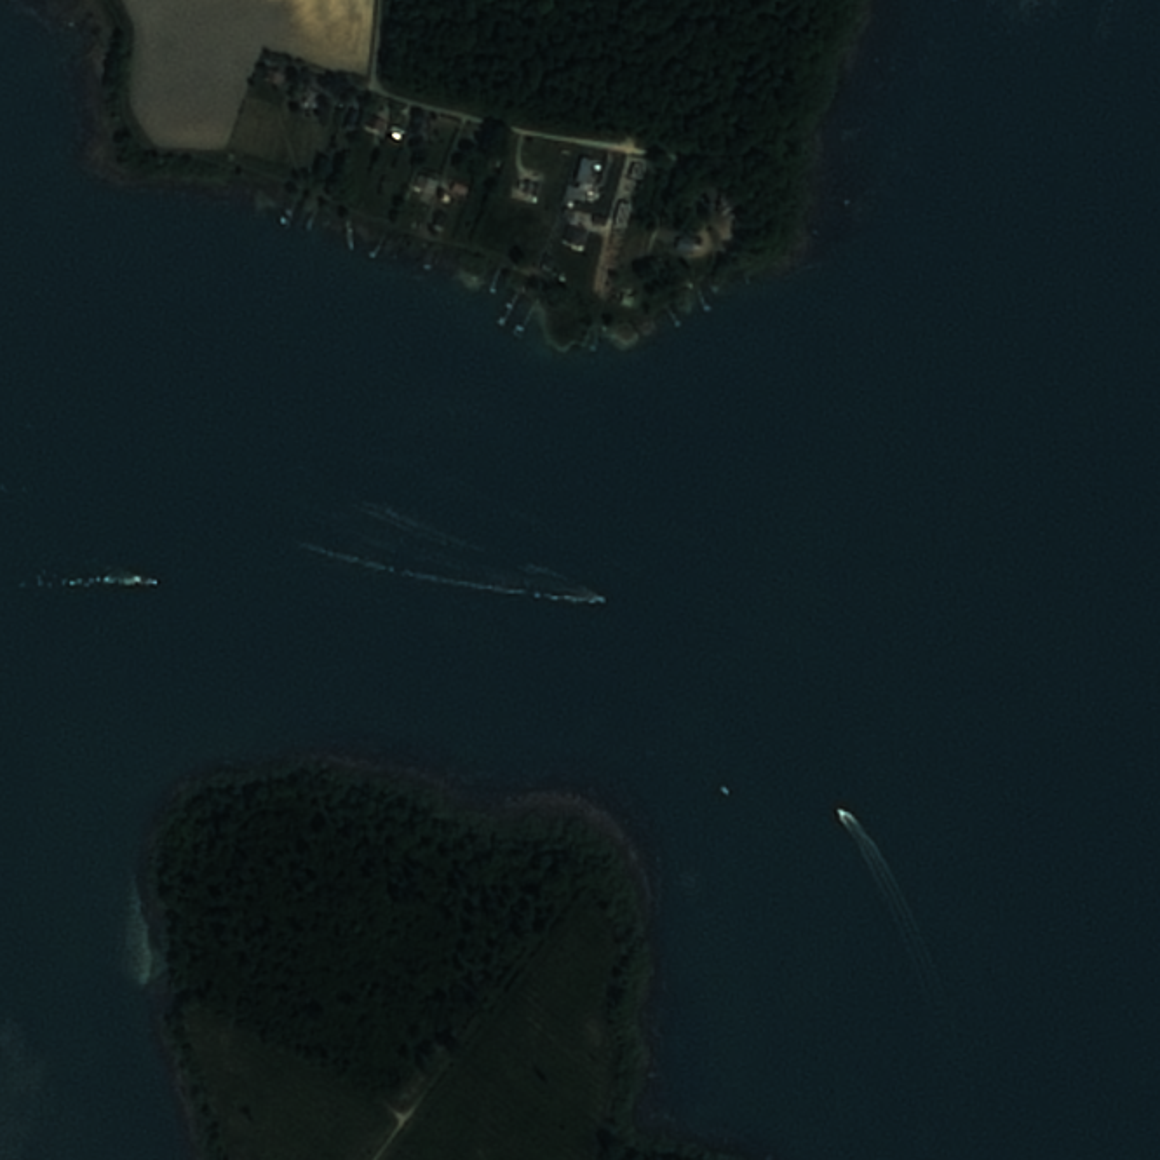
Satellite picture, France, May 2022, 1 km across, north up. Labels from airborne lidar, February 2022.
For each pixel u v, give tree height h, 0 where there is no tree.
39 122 0
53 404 0
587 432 0
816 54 21
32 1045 0
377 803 21
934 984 0
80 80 0
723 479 0
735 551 0
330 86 18
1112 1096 0
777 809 0
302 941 29
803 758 0
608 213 0
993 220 0
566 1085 0
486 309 0
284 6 0
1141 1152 0
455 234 0
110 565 0
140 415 0
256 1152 0
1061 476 0
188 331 0
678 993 0
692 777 0
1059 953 0
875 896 0
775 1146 0
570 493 0
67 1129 0
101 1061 0
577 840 6
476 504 0
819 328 0
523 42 25
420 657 0
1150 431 0
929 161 0
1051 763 0
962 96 0
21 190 0
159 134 0
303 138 0
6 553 0
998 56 0
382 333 0
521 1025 0
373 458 0
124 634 0
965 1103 0
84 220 0
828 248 0
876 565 0
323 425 0
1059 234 0
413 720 0
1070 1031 0
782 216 8
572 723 0
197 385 0
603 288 0
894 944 0
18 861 0
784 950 0
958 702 0
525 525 0
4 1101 0
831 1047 0
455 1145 0
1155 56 0
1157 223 0
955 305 0
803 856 0
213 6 0
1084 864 0
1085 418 0
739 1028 0
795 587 0
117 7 0
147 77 0
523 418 0
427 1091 0
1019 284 0
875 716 0
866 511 0
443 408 0
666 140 21
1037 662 0
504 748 0
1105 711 0
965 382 0
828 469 0
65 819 0
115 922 0
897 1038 0
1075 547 0
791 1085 0
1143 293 0
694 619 0
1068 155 0
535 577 0
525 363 0
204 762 0
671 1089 0
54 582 0
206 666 0
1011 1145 0
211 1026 0
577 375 0
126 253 0
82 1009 0
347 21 0
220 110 0
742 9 26
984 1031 0
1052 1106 0
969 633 0
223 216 0
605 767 0
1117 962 0
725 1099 0
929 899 0
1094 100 0
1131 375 0
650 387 0
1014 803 0
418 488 0
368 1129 0
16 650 0
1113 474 0
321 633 0
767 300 0
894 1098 0
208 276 0
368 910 12
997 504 0
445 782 0
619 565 0
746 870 0
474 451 0
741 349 0
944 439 0
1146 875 0
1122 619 0
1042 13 0
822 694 0
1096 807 0
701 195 23
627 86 24
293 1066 0
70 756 0
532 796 0
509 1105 0
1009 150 0
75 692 0
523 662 0
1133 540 0
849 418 0
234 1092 0
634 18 28
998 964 0
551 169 0
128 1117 0
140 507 0
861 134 0
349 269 0
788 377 0
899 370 0
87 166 0
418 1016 8
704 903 0
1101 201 0
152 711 0
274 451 0
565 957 0
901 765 0
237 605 0
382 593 0
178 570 0
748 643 0
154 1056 0
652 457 0
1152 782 0
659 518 0
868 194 0
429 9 27
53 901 0
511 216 0
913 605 0
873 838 0
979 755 0
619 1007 19
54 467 0
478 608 0
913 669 0
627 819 0
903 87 0
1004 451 0
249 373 0
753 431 0
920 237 0
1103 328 0
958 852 0
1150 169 0
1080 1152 0
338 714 0
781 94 23
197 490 0
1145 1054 0
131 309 0
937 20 0
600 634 0
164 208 0
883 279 0
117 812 0
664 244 0
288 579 0
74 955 0
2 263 0
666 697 0
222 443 0
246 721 0
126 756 0
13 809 0
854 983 0
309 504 0
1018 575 0
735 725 0
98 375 0
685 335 0
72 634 0
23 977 0
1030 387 0
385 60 17
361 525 0
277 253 0
